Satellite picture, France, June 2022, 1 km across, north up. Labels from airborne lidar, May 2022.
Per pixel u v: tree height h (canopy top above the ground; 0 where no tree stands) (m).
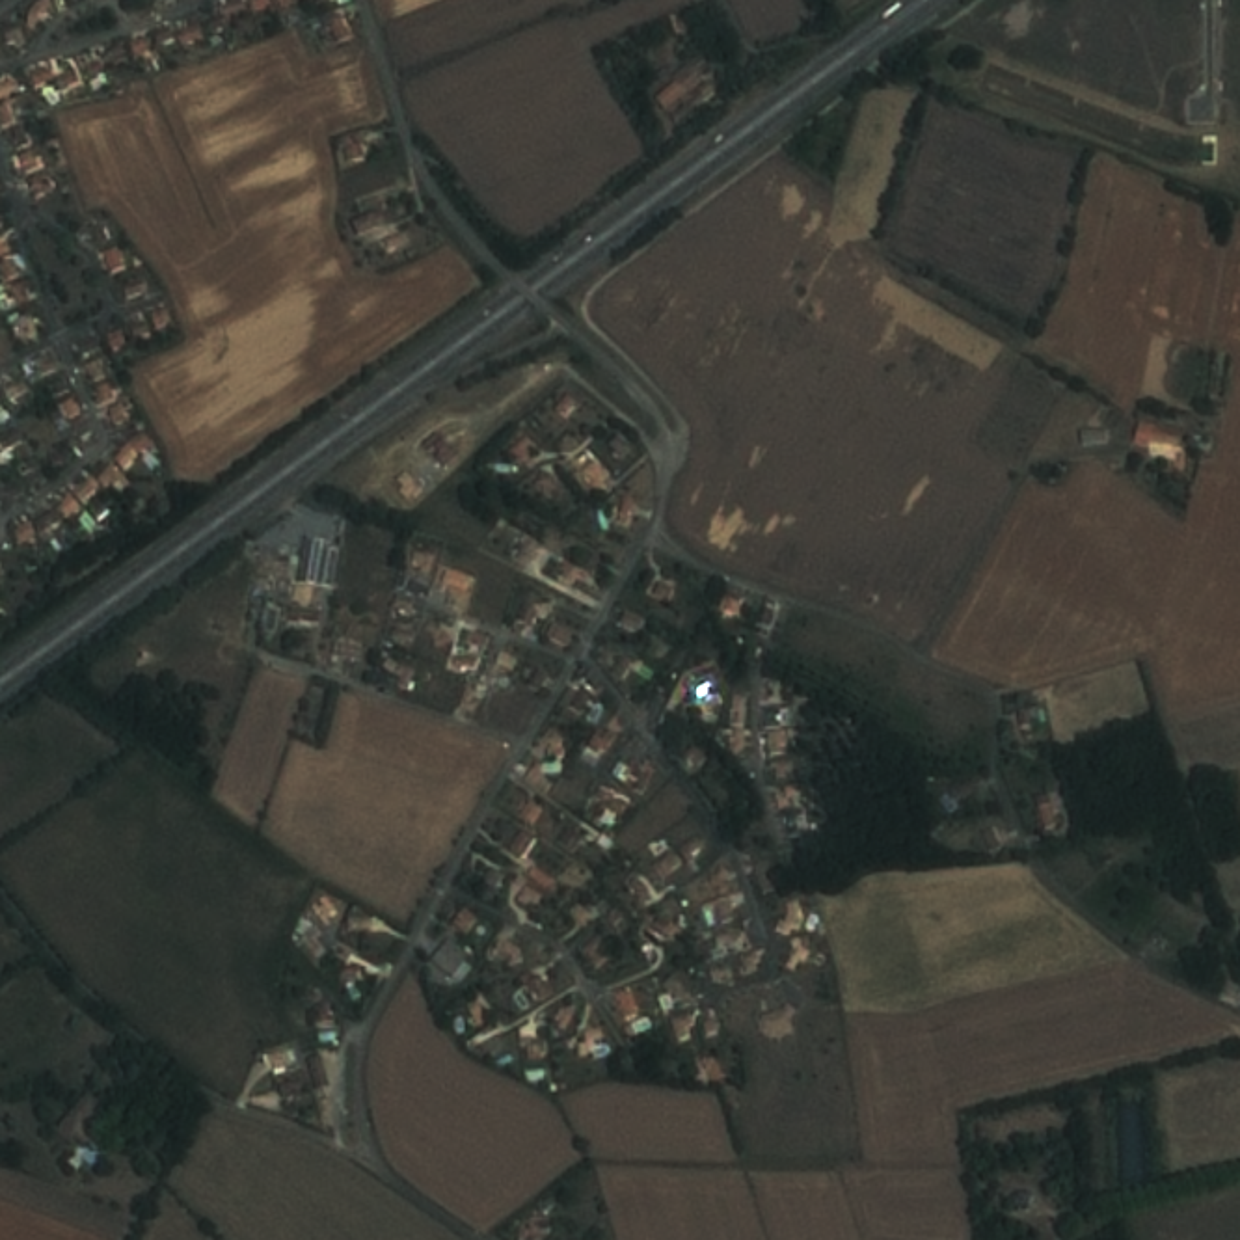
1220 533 0
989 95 0
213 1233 10
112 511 8
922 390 0
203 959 0
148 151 0
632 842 0
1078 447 0
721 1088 8
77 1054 0
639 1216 0
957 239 0
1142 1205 18
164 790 0
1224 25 0
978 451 0
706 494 0
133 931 0
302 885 0
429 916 0
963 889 0
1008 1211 10
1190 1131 0
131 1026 6
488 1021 11
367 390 0
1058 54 0
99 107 0
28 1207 0
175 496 13
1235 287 0
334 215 0
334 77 0
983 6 0
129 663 0
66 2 6
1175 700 0
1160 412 11
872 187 0
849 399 0
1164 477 10
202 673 0
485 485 14
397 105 0
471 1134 0
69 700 22
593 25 0
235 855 0
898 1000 0
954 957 0
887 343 0
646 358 0
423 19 0
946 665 0
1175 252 0
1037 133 12
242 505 0
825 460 0
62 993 9
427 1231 0
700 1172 0
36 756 0
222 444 0
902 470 0
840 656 0
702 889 0
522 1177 0
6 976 12
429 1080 0
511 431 11
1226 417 0
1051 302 10
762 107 0
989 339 0
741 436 0
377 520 24
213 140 0
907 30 0
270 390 0
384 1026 0
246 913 0
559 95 0
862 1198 0
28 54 0
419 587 0
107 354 6
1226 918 15
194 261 0
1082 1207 18
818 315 0
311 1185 0
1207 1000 0
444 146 0
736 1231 0
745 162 0
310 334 0
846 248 0
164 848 0
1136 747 14
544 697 9
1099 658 0
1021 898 0
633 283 0
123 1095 16
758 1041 0
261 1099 0
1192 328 0
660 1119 0
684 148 9
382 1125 0
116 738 14
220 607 0
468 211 10
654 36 13
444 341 0
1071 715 0
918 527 0
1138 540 0
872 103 0
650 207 0
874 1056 0
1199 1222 0
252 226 0
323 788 0
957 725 0
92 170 0
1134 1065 9
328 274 0
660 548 0
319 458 0
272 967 0
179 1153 17
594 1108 0
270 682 0
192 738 7
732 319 0
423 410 0
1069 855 0
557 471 11
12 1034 0
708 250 0
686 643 8
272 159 0
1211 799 13
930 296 0
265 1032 0
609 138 0
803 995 0
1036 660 0
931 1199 0
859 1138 0
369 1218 0
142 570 0
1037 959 0
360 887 0
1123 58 0
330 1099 0
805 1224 0
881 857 18
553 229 6
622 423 9
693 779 6
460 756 0
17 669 0
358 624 0
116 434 0
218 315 0
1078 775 16
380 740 0
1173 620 0
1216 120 0
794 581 0
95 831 0
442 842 0
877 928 0
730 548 0
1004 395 0
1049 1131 9
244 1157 0
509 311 0
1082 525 0
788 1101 0
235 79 0
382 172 0
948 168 0
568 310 0
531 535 6
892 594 0
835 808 21
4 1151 18
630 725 0
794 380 0
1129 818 17
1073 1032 0
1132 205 0
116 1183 0
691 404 0
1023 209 0
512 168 0
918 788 14
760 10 0
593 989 0
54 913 0
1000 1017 0
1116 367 0
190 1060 0
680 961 13
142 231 0
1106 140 0
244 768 0
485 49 0
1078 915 0
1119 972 0
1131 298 0
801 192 0
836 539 0
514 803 0
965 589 0
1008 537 0
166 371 0
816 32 23
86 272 10
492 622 0
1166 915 0
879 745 19
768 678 10
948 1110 0
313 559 0
